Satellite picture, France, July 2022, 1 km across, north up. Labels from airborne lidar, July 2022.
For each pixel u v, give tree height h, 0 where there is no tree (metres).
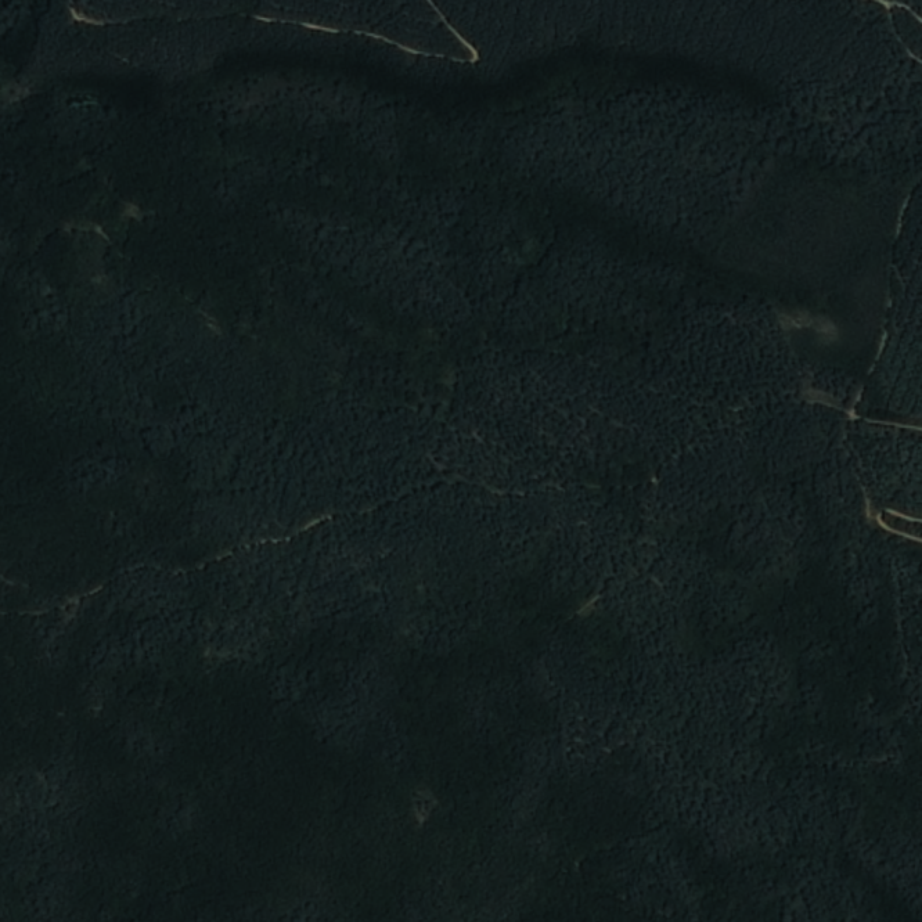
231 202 11
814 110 17
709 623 20
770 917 11
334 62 13
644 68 17
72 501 7
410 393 10
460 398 10
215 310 13
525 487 20
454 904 9
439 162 18
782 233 6
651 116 20
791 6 14
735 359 16
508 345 13
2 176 8
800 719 16
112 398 13
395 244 12
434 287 14
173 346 6
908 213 13
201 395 13
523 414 15
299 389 7
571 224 19
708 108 22
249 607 13
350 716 17
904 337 12
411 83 15
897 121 18
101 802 9
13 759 8
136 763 6
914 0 15
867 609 21
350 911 7
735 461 17
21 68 15
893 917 20
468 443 14
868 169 19
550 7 14
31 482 11
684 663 18
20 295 16
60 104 13
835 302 7
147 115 14
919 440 11
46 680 9
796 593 13
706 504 18
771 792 20
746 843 22
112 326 10
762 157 9
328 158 18
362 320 19
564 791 11
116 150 17
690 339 17
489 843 6
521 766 8
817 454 14
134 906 15
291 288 11
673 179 13
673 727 23
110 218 9
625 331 18
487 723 8
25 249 18
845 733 15
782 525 16
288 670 14
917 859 15
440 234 13
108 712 11
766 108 22
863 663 17
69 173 13
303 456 14
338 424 14
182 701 12
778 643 15
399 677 13
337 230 8
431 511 17
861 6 21
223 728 11
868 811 13
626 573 18
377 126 10
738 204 16
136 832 9
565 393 19
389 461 10
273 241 13
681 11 13
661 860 20
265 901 7
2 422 12
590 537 15
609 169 9
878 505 8
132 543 12
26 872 10
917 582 14
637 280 18
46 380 8
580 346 11
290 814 9
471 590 7
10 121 11
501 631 14
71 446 9
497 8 16
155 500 9
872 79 12
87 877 11
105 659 18
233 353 13
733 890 13
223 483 12
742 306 15
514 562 9
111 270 12
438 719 10
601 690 18
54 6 17
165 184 19
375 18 14
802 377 14
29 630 8
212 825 9
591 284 21
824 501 15
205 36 16
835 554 16
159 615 9
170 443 22
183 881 7
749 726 21
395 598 10
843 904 25
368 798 11
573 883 12
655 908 15
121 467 12
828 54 13
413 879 8
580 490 17
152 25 15
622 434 16
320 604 7
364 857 9
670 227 10
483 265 24
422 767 11
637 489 12
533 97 20
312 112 10
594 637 12
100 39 15
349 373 9
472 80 17
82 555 8
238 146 14
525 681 17
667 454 14
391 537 12
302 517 16
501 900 7
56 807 10
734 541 15
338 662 14
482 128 13
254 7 10
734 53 18
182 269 12
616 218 13
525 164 11
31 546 7
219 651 11
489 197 19
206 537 16
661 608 15
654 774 16
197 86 14
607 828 15
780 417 17
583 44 16
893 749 13
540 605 7
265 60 15
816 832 27
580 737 20
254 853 9
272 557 11
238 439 16
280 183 11
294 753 14
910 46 12
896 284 9
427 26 16
